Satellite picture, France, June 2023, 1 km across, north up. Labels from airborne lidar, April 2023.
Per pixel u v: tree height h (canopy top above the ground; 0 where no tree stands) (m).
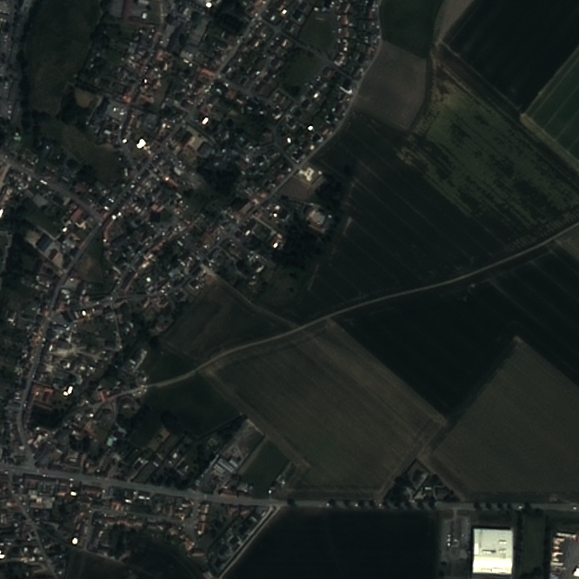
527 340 0
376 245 0
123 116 0
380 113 0
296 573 0
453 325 0
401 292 0
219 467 0
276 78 0
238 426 10
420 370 0
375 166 0
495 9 0
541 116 0
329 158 0
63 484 0
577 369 0
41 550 0
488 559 0
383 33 0
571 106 0
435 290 0
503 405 0
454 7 0
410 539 0
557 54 0
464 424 0
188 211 0
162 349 0
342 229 0
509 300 0
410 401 0
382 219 0
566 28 0
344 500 0
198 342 0
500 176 0
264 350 0
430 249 0
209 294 0
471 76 0
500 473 0
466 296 0
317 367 0
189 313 0
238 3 10
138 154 0
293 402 0
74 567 0
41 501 0
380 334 0
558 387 0
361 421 0
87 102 0
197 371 0
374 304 0
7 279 13
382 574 0
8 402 0
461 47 0
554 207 0
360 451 0
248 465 0
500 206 0
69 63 0
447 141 0
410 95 0
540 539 0
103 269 0
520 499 0
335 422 0
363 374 0
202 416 0
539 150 0
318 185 0
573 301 0
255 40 0
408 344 0
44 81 0
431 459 0
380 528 0
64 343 0
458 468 0
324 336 0
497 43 0
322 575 0
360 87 0
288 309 0
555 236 0
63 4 0
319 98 0
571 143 0
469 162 0
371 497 0
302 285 0
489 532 0
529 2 0
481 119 0
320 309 0
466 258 0
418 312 0
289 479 0
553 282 0
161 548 0
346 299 0
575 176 0
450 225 0
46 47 0
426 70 0
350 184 0
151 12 0
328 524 0
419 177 0
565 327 0
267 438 0
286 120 0
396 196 0
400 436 0
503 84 0
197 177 0
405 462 0
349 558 0
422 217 0
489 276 0
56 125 0
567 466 0
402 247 0
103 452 8
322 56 0
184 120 0
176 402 0
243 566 0
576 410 0
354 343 0
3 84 0
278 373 0
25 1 0
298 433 0
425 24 0
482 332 0
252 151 0
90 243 0
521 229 0
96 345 0
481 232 0
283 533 0
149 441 0
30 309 0
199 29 0
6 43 0
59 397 0
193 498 0
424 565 0
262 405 0
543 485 0
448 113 0
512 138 0
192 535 0
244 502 0
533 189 0
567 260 0
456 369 0
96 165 0
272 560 0
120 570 0
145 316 0
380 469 0
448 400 0
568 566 0
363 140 0
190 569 0
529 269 0
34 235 0
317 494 0
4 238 0
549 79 0
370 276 0
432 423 0
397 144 0
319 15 0
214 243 0
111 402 0
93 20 0
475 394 0
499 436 0
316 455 0
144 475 0
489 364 0
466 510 0
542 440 0
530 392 0
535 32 0
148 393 0
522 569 0
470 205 0
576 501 0
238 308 0
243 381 0
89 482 0
